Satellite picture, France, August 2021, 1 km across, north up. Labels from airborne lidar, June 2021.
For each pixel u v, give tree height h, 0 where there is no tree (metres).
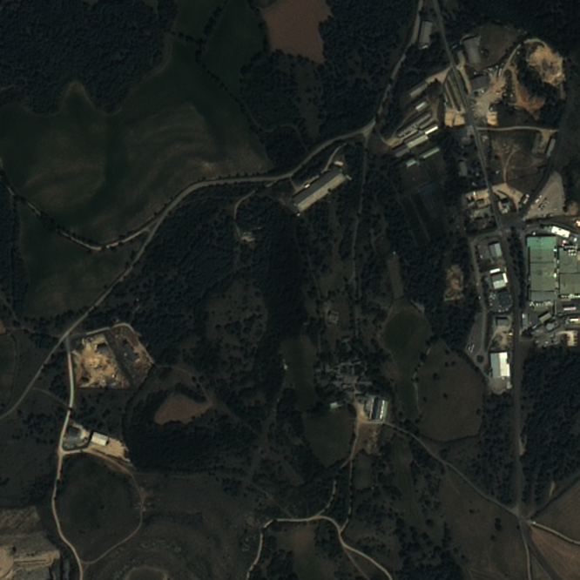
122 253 0
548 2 15
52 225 14
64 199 0
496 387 0
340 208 7
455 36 9
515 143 0
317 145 6
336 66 7
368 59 10
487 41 0
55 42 13
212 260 11
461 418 0
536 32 13
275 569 9
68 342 0
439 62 12
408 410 0
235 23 0
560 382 14
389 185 13
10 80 9
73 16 14
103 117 0
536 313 0
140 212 0
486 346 0
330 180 0
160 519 0
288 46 0
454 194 10
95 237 0
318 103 7
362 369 12
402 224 10
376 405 0
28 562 0
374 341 10
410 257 8
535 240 0
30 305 0
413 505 0
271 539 8
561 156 0
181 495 0
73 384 0
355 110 14
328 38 15
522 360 0
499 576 0
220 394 7
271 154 12
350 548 0
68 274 0
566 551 0
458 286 0
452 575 11
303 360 0
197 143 0
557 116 8
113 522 0
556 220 0
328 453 0
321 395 12
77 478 0
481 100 0
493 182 7
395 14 16
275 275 10
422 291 10
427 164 0
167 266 6
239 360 7
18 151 0
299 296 15
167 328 11
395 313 0
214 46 0
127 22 14
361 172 11
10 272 16
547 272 0
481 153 0
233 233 12
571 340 0
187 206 6
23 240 0
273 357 8
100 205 0
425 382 0
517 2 10
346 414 0
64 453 0
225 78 0
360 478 0
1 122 0
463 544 0
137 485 0
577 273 0
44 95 14
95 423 11
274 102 8
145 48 14
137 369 0
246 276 6
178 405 0
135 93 0
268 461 6
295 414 12
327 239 11
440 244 9
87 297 0
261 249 11
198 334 7
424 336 0
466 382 0
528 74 11
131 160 0
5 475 0
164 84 0
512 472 7
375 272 9
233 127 0
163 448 8
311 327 10
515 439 0
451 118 0
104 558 0
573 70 7
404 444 0
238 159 0
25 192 0
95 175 0
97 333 0
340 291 8
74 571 8
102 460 0
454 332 10
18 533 0
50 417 6
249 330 8
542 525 0
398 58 0
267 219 10
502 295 0
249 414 10
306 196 0
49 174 0
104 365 0
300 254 13
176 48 0
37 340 7
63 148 0
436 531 0
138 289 9
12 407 0
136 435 8
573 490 0
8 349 0
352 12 19
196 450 7
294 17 0
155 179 0
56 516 0
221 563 0
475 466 6
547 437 8
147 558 0
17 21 15
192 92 0
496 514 0
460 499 0
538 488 7
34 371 0
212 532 0
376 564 0
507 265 0
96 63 16
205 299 11
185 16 0
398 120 9
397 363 0
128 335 0
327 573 0
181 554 0
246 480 0
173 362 9
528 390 8
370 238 7
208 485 0
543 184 0
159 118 0
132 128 0
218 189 5
